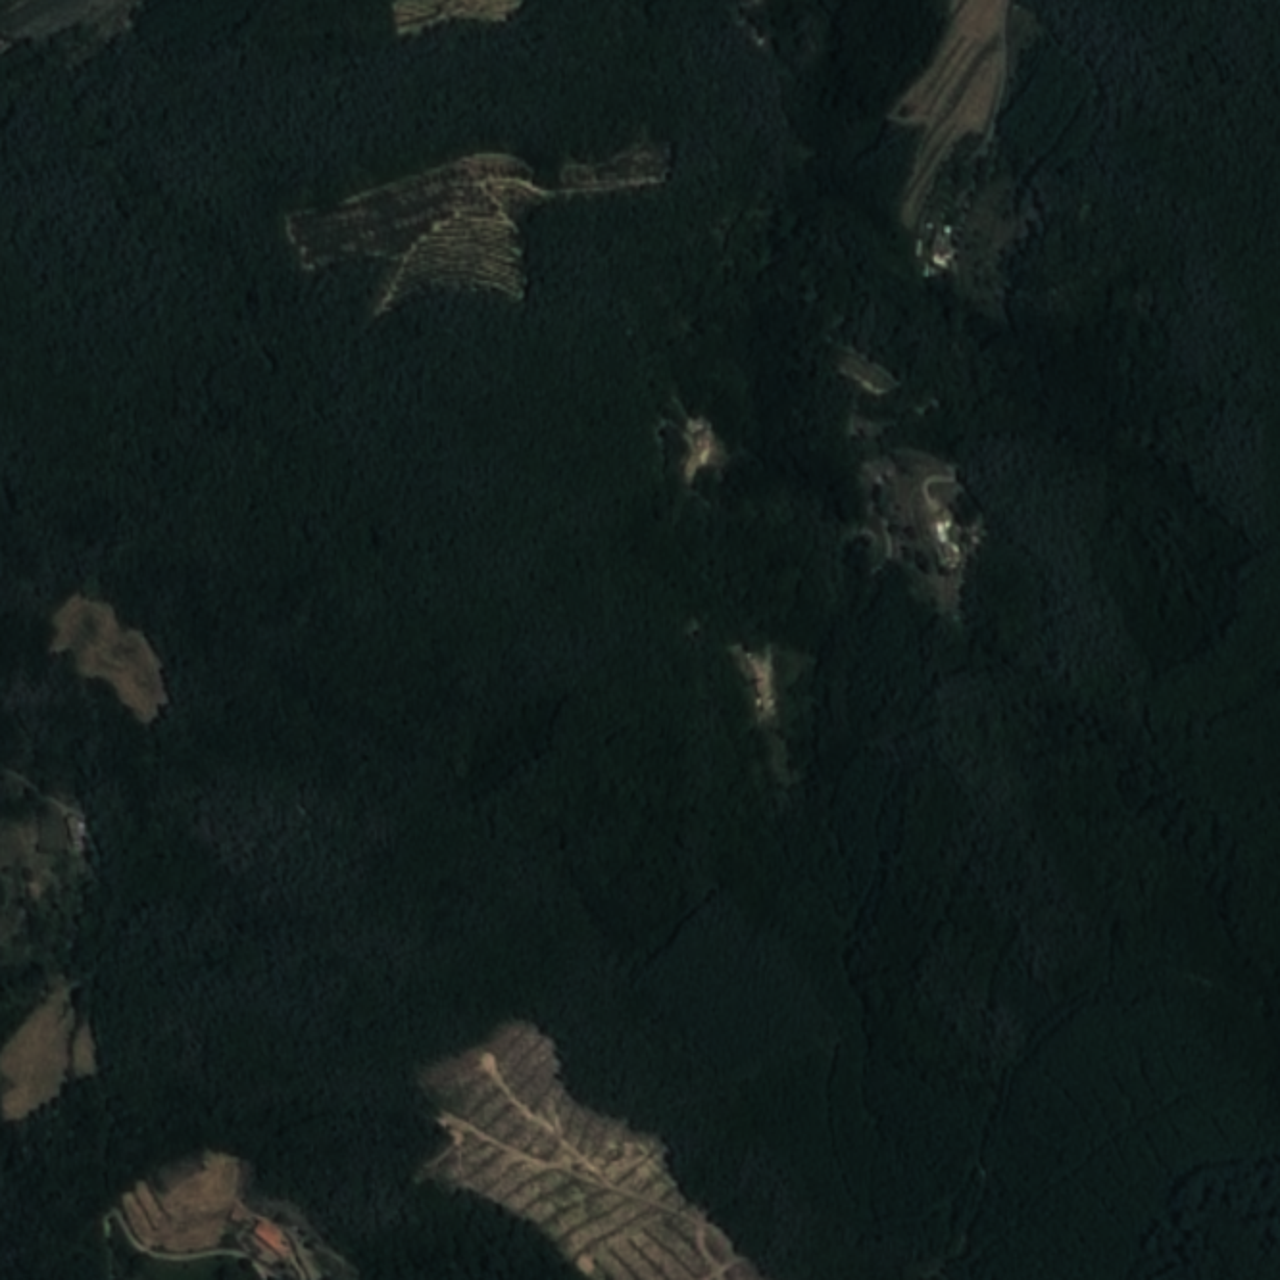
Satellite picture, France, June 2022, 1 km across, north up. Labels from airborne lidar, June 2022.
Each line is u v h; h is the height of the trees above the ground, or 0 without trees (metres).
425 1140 21
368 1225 12
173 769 18
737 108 20
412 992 18
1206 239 16
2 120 17
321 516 19
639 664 21
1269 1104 9
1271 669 16
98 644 0
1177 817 16
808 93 16
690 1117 20
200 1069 15
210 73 24
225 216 14
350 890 15
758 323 14
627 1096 17
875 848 14
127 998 19
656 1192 0
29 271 18
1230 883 10
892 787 10
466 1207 12
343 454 18
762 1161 20
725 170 14
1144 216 22
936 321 17
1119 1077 13
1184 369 12
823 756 28
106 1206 12
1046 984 11
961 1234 8
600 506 19
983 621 19
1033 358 22
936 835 15
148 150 15
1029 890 21
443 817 21
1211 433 15
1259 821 18
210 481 24
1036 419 20
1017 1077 7
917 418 12
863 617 9
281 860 6
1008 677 20
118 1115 13
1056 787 23
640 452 18
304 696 19
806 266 8
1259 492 15
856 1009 12
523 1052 0
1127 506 10
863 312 15
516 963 18
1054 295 16
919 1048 10
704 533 15
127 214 17
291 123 16
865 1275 21
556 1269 19
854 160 17
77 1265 14
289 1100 14
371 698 18
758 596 13
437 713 20
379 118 20
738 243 19
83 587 11
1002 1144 13
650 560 16
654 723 22
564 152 17
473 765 9
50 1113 13
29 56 14
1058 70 18
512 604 17
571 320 10
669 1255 0
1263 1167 7
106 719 9
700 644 12
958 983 18
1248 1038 14
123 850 17
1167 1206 12
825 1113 14
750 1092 11
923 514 0
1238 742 15
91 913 8
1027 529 19
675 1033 22
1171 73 21
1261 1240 29
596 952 20
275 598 19
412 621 20
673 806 22
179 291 16
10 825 0
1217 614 7
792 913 9
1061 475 19
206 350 19
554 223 14
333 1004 22
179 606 19
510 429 16
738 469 13
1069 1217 13
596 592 20
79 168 22
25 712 11
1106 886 14
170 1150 12
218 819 9
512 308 13
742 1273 0
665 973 25
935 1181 12
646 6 7
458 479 20
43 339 22
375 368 18
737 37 20
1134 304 16
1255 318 14
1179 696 18
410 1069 20
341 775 17
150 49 14
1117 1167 14
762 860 11
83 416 21
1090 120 19
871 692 10
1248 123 20
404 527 20
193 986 23
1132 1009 7
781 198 25
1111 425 14
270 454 23
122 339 20
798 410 22
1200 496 22
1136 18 29
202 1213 0
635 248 20
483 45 18
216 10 14
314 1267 0
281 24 17
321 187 19
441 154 11
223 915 23
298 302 15
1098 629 16
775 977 30
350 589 20
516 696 21
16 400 20
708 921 25
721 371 20
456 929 16
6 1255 15
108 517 19
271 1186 12
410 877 21
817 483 27
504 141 16
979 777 11
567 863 16
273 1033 17
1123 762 12
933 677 9
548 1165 0
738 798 16
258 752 18
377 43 18
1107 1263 13
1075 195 20
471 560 19
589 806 14
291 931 13
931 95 0
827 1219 13
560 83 19
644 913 21
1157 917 16
